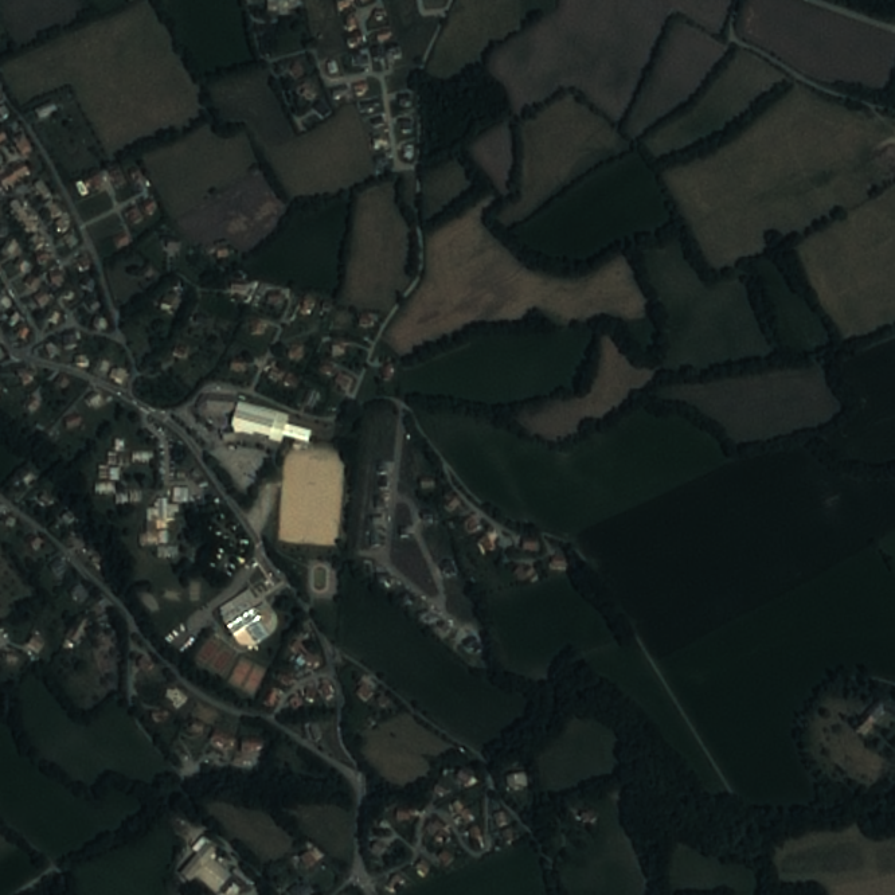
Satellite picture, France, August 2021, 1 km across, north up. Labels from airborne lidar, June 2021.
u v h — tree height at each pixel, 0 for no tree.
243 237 0
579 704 24
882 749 14
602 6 0
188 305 13
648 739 25
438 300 0
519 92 0
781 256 15
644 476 0
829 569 0
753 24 0
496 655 14
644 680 0
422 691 0
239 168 0
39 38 12
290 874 9
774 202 0
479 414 16
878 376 0
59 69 0
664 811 25
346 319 0
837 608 0
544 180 0
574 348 0
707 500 0
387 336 0
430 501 9
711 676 0
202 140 0
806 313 0
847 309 0
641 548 0
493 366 0
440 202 0
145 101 0
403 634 0
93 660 0
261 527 0
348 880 0
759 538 0
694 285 0
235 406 0
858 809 19
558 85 0
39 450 23
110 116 0
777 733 0
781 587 0
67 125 10
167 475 0
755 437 0
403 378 0
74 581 7
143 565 0
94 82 0
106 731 0
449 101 12
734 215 0
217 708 0
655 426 0
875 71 0
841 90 10
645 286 15
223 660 0
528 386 0
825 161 0
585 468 0
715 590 0
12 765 0
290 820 12
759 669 0
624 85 0
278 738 7
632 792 24
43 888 8
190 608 0
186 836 0
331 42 0
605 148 0
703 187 0
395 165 0
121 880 0
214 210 0
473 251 0
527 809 7
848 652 0
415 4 0
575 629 0
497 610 0
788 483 0
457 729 0
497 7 0
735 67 0
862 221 0
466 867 0
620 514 0
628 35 0
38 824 0
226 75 12
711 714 0
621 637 18
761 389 0
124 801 0
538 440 9
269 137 0
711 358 0
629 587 0
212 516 7
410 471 0
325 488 0
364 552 0
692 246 13
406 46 0
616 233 0
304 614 14
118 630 15
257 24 6
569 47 0
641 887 0
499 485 0
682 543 0
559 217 0
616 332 22
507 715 0
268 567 0
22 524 7
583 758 0
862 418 0
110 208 0
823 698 18
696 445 0
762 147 0
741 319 0
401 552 0
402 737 0
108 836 14
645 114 0
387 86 0
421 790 15
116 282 0
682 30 0
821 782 15
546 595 0
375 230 0
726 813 25
